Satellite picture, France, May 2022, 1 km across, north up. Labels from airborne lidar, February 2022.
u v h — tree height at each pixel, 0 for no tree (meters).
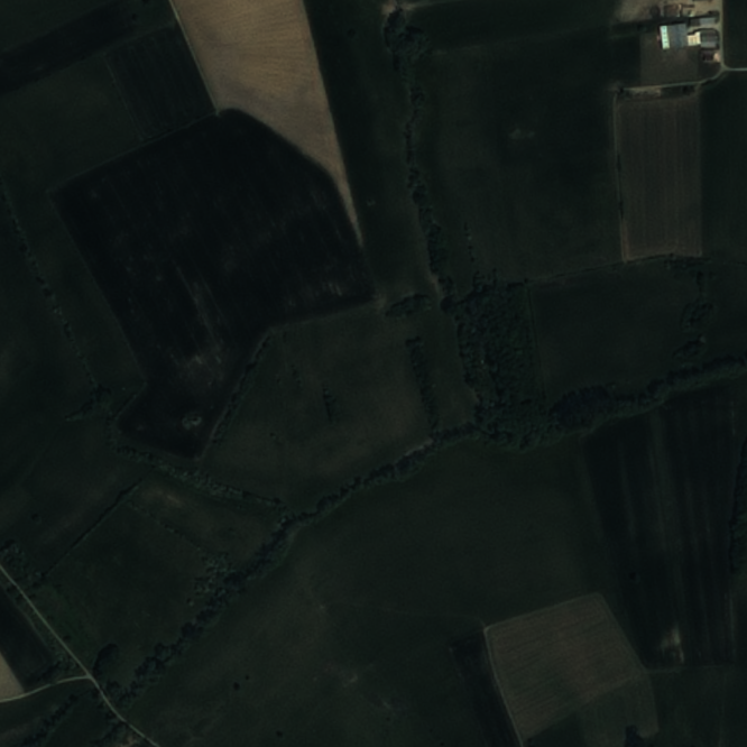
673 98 0
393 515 0
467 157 0
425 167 0
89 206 0
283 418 0
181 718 0
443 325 0
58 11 0
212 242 0
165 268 0
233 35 0
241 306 0
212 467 0
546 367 0
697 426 0
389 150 0
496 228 0
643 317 0
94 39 0
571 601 0
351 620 0
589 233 0
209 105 0
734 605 0
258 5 0
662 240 0
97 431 0
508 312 17
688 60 0
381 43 0
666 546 0
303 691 0
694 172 0
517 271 0
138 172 0
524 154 0
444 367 0
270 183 0
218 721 0
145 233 0
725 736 0
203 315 0
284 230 0
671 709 0
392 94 0
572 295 0
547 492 0
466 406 0
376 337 0
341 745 0
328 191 0
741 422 0
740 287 0
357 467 0
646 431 0
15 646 0
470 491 0
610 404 32
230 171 0
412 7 0
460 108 0
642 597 0
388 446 0
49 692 0
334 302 0
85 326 0
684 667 0
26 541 0
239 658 0
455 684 0
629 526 0
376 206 0
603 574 0
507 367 21
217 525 0
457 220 0
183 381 0
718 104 0
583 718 0
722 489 0
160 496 0
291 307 0
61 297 0
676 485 0
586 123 0
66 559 0
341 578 0
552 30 0
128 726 13
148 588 0
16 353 0
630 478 0
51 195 0
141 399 0
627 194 0
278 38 0
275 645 0
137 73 0
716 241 0
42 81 0
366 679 0
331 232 0
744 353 0
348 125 0
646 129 0
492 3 0
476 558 0
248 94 0
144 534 0
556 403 0
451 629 0
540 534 0
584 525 0
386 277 0
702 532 0
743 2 0
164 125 0
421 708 0
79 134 0
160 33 0
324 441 0
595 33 0
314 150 0
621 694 0
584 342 0
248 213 0
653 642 0
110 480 0
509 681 0
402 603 0
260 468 0
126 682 0
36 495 0
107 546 0
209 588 8
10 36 0
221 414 0
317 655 0
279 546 18
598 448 0
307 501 0
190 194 0
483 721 0
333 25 0
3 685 0
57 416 0
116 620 0
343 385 0
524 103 0
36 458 0
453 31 0
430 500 0
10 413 0
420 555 0
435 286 0
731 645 0
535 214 0
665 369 0
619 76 0
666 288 0
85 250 0
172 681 0
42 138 0
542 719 0
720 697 0
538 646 0
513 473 0
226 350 0
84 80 0
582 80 0
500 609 0
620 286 0
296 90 0
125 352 0
